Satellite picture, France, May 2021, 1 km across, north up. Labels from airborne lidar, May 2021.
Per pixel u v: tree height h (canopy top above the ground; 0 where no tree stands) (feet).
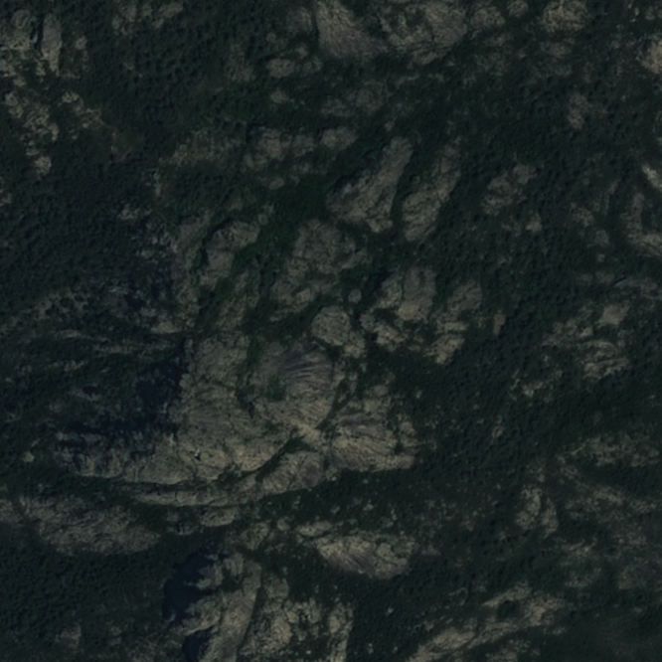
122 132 28
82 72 33
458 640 0
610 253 24
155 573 22
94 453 0
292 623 18
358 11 34
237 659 21
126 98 44
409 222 26
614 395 36
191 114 26
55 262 52
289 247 28
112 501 21
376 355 52
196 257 36
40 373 31
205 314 74
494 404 41
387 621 38
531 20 26
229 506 17
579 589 24
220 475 39
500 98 26
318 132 23
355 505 21
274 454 28
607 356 26
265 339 21
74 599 43
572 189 76
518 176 28
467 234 57
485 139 26
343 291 20
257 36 28
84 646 19
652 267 51
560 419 34
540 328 20
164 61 86
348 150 58
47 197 31
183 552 19
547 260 26
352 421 0
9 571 60
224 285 34
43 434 25
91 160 54
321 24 0
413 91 18
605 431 19
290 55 34
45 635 73
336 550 0
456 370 54
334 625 0
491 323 18
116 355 26
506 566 60
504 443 65
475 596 63
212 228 55
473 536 73
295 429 19
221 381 21
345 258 23
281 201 46
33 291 81
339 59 29
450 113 37
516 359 58
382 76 32
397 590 52
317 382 0
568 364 51
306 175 42
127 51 39
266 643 0
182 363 39
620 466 47
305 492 21
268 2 19
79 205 55
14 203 46
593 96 69
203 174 64
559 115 27
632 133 80
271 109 20
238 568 23
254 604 25
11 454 49
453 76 44
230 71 31
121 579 39
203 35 85
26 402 25
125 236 22
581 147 27
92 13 34
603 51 82
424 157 43
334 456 0
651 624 30
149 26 82
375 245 32
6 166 40
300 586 18
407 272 26
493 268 78
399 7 21
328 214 31
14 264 32
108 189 53
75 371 20
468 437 61
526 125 41
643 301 20
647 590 20
